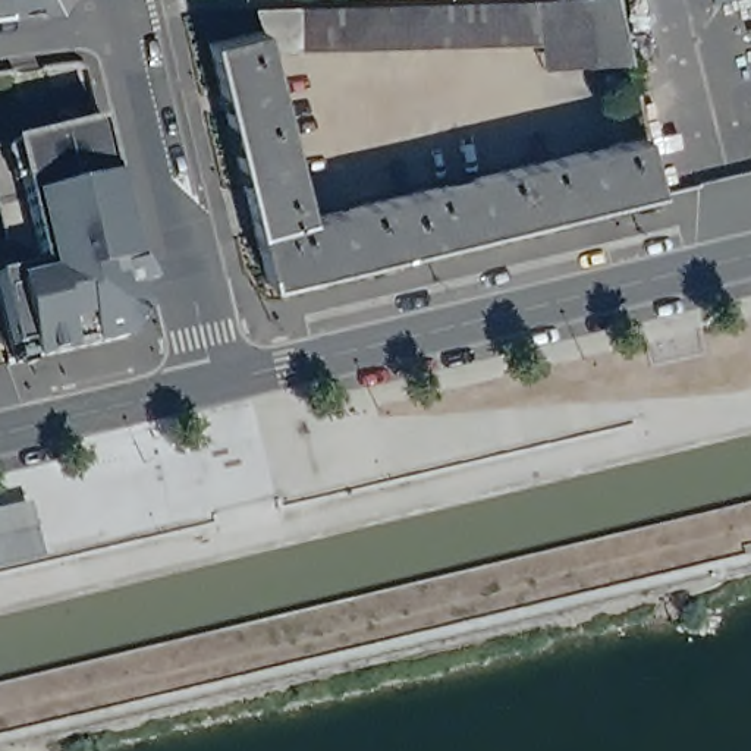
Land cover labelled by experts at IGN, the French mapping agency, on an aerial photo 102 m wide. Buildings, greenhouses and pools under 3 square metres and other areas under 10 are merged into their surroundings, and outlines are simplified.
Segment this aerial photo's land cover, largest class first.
<instances>
[{"label":"impervious surface","instance_id":"1","mask_svg":"<svg viewBox=\"0 0 751 751\"><path fill-rule=\"evenodd\" d=\"M557 0H73L70 15L50 12L38 21L0 23V153H12V141L35 126L82 114L111 120L120 164L138 176V217L129 223V238L161 267V279H153L158 320L129 323V340L123 343L94 346L59 358L29 355L21 340H12V326L0 293V508L23 502L26 496L38 510L47 546V563L0 572V613L65 601L308 540H323L331 534L370 528L393 519L434 513L478 499H493L751 434V396L745 390H730L634 402H543L525 408L466 414H434L428 408L411 399L405 378L411 373H422L431 367L440 390L502 378L508 370L505 355L499 352L508 343L528 346L534 340L549 364L601 355L613 346L631 326L645 334L648 343L689 337L698 329H704V320L716 308H728L730 302L736 305L739 320H751V0H625L622 18H634L628 47L637 53L645 56L648 65L645 94L640 97L642 120L604 117V97L628 79V67L590 70L587 76L581 70H546V59L528 47L308 53L302 38L285 44L279 50L282 70L290 73L285 88L296 97V120L299 126H305L302 150L308 153L305 161L314 164L311 170H317L314 194L320 214H337L434 188L469 185L493 173L534 167L581 153L622 150L628 144H640L645 135L654 141L660 153L669 185L666 199L657 202H642L575 223H560L466 249L414 258L405 264L355 273L349 279H331L305 287L279 285L282 299L267 305L258 299L255 285L246 287L235 243L243 238L255 255V264H264L267 241L258 235L261 220L252 199V179L246 173L241 132L235 126V109L229 100L223 65L211 56L217 44L229 50L258 41V35L264 32L258 21L261 9L534 6ZM331 378H337L349 396L343 402V417H317L305 399L311 396L314 381L329 384ZM194 414L197 420H202L205 437L199 449H179L164 437V431L170 422L191 420ZM76 440H82L85 449H94V464L82 475H65L59 458ZM751 575V557L742 554L716 563H701L692 569H678L607 590H593L534 607L469 619L449 628H434L364 648L311 657L302 663H287L205 686H191L97 713H82L0 733V751H59V742L70 733L129 730L153 719L220 707L243 698H261L267 692H282L302 681L329 678L361 666H376L428 651H446L502 634H519L528 628L581 625L598 613H619L637 604H654V616L660 622L654 625L657 631L686 634L689 628L684 619L686 607L695 604L692 593L713 590L728 578Z\"/></svg>","mask_w":751,"mask_h":751},{"label":"water","instance_id":"2","mask_svg":"<svg viewBox=\"0 0 751 751\"><path fill-rule=\"evenodd\" d=\"M745 502L751 505V434L493 499H478L434 513L393 519L370 528L331 534L323 540H308L65 601L0 613V681L82 660H97L167 640H182L349 596H364L434 575H449L484 563H499L557 546H572L619 531H634L692 513H707ZM117 751H751V598L730 607L713 634H686L657 631L654 625L607 637H578L557 642L554 648L534 657L502 660L449 678L387 686L370 695L329 701L290 713L182 730Z\"/></svg>","mask_w":751,"mask_h":751},{"label":"building","instance_id":"3","mask_svg":"<svg viewBox=\"0 0 751 751\"><path fill-rule=\"evenodd\" d=\"M73 0H0V23L38 21L50 12L70 15ZM625 0H557L534 6L261 9L258 21L264 32L258 35V41L229 50L217 44L211 56L223 65L229 100L235 109V126L241 132L246 173L252 179V199L261 220L258 235L267 241L264 264L267 282L279 285L305 287L331 279H349L355 273L405 264L414 258L466 249L560 223H575L642 202H657L666 199L669 185L660 153L654 141L645 135L640 144H628L622 150L581 153L534 167L493 173L469 185L434 188L337 214H320L314 194L317 170H311L314 164L305 161L308 153L302 150L305 126H299L296 120V97L285 88L290 73L282 70L279 50L285 44L302 38L308 53L528 47L546 59V70H581L587 76L590 70L628 67L637 53L628 47L634 18H622ZM138 176L120 164L111 120L82 114L35 126L12 141V153H0V293L12 326V340H21L29 355L59 358L94 346L123 343L129 340V323L158 320L153 279H161V267L129 238V223L138 217ZM47 563V546L38 510L26 496L23 502L0 508V572Z\"/></svg>","mask_w":751,"mask_h":751},{"label":"herbaceous vegetation","instance_id":"4","mask_svg":"<svg viewBox=\"0 0 751 751\"><path fill-rule=\"evenodd\" d=\"M730 390H745L751 396V337L745 331L707 334L704 329H698L689 337L648 343V352L637 355H622L613 346L601 355L549 364V376L531 384L519 381L508 370L502 378L440 390V402H431L428 408L434 414H466L525 408L543 402H634ZM742 554L751 557V505L745 502L707 513H692L634 531H619L572 546H557L499 563H484L449 575H434L364 596H349L182 640H167L97 660H82L0 681V733L82 713H97L191 686H205L287 663H302L311 657L364 648L434 628H449L469 619L534 607L593 590H607L678 569H692L701 563H716Z\"/></svg>","mask_w":751,"mask_h":751},{"label":"brushwood","instance_id":"5","mask_svg":"<svg viewBox=\"0 0 751 751\"><path fill-rule=\"evenodd\" d=\"M246 287L255 285L258 299L267 305L282 299L279 285L267 282L264 264H255V255L243 238L235 243ZM660 622L654 616V604H637L619 613H598L581 625L528 628L519 634H502L446 651H428L376 666H361L329 678L302 681L282 692H267L261 698H243L220 707L153 719L129 730L70 733L59 742V751H117L182 730L290 713L329 701L370 695L387 686L449 678L502 660L534 657L554 648L557 642L578 637H607L654 625Z\"/></svg>","mask_w":751,"mask_h":751},{"label":"deciduous trees","instance_id":"6","mask_svg":"<svg viewBox=\"0 0 751 751\"><path fill-rule=\"evenodd\" d=\"M648 65L645 56L637 53L628 67V79L604 97V117L642 120L640 97L645 94ZM707 334L745 331L751 337V320H739L736 305L730 302L728 308H716L704 320V329ZM613 346L622 355H637L648 352V343L645 334L631 326ZM505 355L508 370L519 381L531 384L549 376V364L534 340L528 346L508 343L499 352ZM411 399L428 408L431 402H440V390L431 367L422 373H411L405 378ZM349 396L337 378H331L329 384L314 381L311 396L305 399L317 417H343V402ZM164 437L179 449H199L205 437L202 420H197L194 414L191 420L170 422L164 431ZM65 475H82L94 464V449H85L82 440H76L59 458ZM695 604L686 607L684 619L689 628L686 634H713L730 607L751 598V575L728 578L713 590L692 593Z\"/></svg>","mask_w":751,"mask_h":751}]
</instances>
